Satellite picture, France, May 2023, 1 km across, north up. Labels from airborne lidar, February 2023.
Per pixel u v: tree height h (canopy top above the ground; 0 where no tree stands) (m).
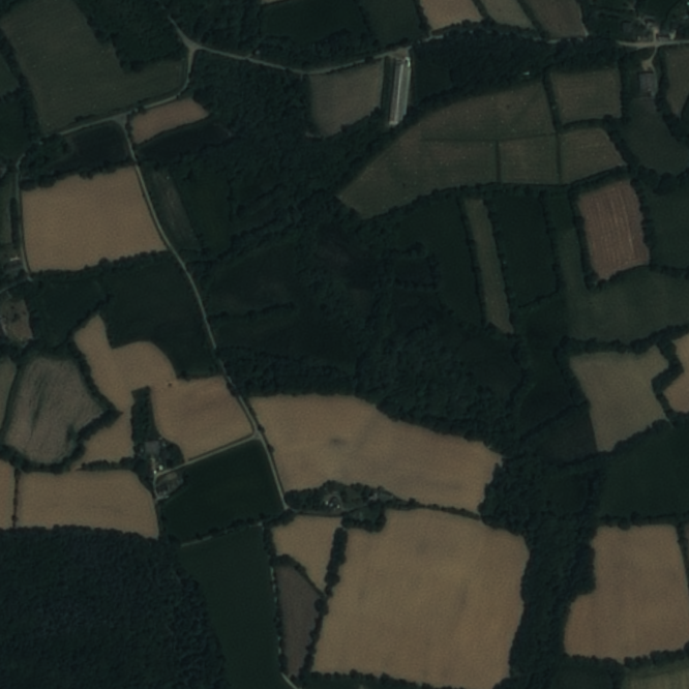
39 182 16
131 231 0
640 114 0
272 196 14
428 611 0
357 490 8
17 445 0
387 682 18
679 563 0
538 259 0
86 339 0
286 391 19
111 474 0
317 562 0
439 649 0
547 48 19
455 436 16
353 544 0
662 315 0
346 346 0
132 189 0
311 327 0
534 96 0
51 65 0
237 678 0
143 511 0
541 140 0
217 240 0
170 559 21
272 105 14
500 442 17
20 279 13
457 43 15
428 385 7
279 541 0
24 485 0
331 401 0
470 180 0
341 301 11
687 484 0
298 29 0
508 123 0
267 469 0
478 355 0
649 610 0
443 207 0
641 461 0
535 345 0
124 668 21
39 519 0
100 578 21
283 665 10
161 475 0
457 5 0
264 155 18
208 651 18
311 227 12
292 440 0
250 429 0
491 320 0
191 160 10
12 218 10
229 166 14
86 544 26
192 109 0
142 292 0
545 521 21
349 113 0
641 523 12
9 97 9
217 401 0
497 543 0
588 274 13
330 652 0
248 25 14
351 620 0
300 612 0
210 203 0
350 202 0
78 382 0
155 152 0
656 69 0
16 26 0
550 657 17
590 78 0
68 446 0
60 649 20
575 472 16
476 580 0
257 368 11
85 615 18
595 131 0
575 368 0
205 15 17
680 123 14
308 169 11
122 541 22
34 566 17
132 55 6
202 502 0
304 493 7
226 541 0
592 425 0
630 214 0
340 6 0
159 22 6
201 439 0
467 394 10
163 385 0
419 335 10
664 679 0
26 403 0
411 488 0
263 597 0
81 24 0
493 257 0
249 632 0
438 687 0
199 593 19
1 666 20
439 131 0
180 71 0
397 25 0
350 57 6
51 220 0
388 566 0
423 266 0
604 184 12
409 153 0
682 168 0
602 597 0
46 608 26
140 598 22
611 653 0
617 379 0
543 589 17
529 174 0
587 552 21
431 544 0
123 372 0
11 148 0
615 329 0
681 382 0
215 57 8
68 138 0
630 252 0
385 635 0
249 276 0
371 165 0
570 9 0
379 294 11
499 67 17
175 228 0
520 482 19
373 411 0
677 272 12
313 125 8
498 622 0
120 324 0
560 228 0
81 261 0
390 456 0
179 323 0
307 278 11
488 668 0
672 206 0
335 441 0
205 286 7
